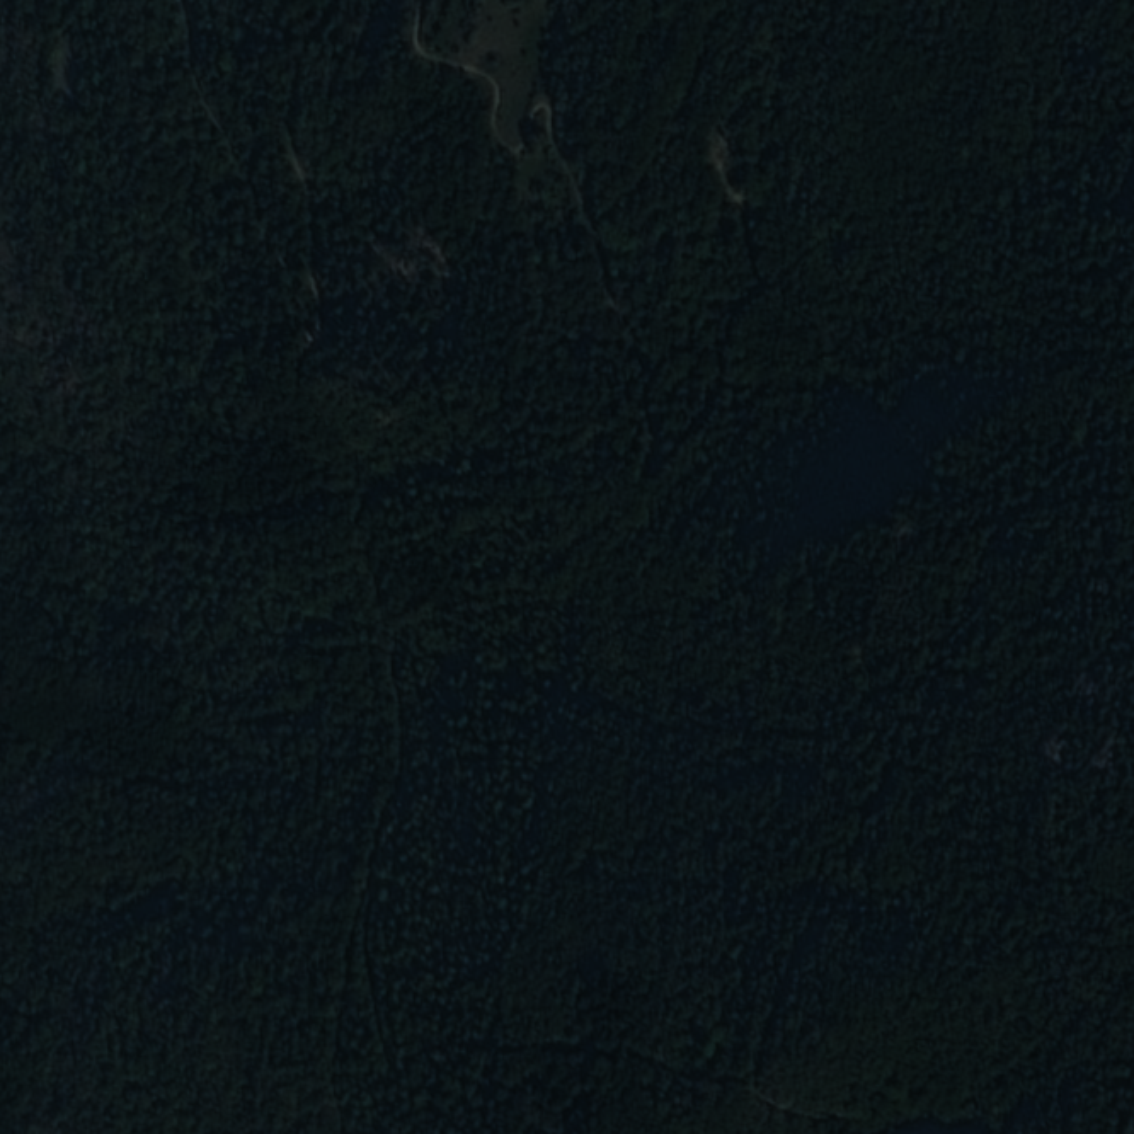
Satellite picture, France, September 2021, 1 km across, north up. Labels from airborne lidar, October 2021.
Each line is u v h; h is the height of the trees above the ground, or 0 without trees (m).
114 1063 14
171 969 8
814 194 12
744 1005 17
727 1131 17
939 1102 25
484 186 20
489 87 0
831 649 17
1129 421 14
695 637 14
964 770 17
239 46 9
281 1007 20
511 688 11
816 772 24
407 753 12
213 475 31
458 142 20
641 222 24
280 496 25
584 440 21
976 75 18
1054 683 22
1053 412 16
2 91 10
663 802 18
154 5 6
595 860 20
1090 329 25
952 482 14
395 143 25
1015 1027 20
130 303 13
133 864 17
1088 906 16
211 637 17
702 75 22
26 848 17
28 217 19
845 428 24
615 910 15
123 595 14
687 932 23
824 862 24
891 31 19
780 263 21
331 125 13
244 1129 15
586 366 24
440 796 8
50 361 8
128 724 22
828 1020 21
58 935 22
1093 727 22
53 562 14
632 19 24
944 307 28
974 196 22
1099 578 11
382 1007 15
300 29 13
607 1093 21
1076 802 17
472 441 17
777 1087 14
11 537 20
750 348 23
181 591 13
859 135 14
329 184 20
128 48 7
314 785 17
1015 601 17
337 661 22
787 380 22
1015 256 23
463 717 22
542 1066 23
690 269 14
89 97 15
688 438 23
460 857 7
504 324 21
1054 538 23
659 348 24
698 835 19
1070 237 23
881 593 16
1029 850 24
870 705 22
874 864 22
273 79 12
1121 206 9
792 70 23
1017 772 25
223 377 21
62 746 18
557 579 25
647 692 27
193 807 13
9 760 28
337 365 20
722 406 20
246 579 15
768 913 23
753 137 21
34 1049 14
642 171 25
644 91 16
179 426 24
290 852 16
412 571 14
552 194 8
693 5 15
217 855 17
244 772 19
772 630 23
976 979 21
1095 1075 17
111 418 13
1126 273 21
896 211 16
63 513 17
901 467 17
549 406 13
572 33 27
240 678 17
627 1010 26
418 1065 16
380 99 16
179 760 17
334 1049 13
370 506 12
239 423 20
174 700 15
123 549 10
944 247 23
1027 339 22
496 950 21
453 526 20
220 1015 18
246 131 10
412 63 12
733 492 19
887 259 20
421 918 14
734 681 16
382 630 7
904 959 25
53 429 12
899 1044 21
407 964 13
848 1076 19
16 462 15
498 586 22
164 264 13
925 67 21
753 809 19
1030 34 21
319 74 21
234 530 17
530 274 22
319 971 14
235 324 19
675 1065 18
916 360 22
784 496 26
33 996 21
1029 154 18
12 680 20
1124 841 16
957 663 25
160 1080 19
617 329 23
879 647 10
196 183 15
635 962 21
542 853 24
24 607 18
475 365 20
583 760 21
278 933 10
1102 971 22
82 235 15
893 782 23
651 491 20
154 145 16
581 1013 19
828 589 15
